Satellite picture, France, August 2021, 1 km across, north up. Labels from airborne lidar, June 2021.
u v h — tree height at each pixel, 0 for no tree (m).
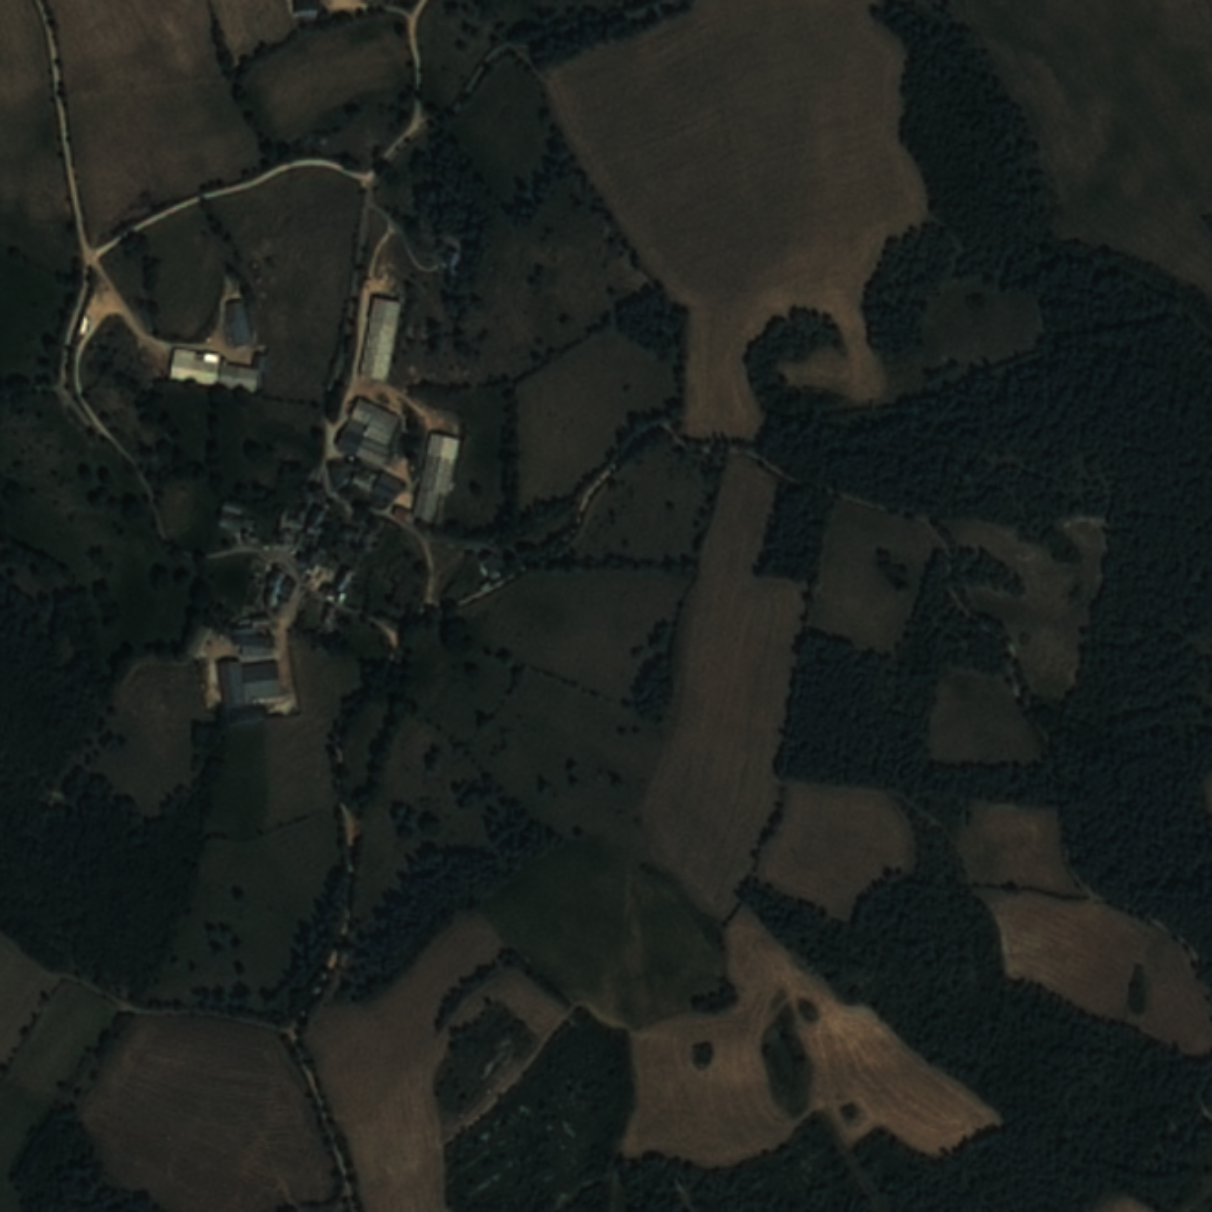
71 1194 13
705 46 0
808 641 13
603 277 0
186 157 0
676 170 0
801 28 0
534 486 0
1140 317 9
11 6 0
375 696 15
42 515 0
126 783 0
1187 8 0
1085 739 11
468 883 13
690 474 0
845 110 0
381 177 11
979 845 0
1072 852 11
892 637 0
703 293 0
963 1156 14
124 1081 0
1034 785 14
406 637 14
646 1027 0
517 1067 0
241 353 0
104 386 0
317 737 0
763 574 9
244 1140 0
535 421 0
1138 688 12
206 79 0
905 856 0
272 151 15
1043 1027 7
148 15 0
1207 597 14
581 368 0
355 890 7
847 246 0
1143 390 9
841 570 0
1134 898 13
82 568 0
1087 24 0
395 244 0
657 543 0
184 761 0
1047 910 0
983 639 12
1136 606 11
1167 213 0
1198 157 0
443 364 0
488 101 0
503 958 6
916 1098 0
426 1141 0
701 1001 9
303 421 0
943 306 0
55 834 14
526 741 0
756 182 0
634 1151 0
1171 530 10
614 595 0
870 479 13
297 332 0
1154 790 14
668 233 0
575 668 0
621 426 0
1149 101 0
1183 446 11
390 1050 0
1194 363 6
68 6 0
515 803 7
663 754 0
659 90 0
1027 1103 10
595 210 7
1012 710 0
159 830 11
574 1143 0
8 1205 0
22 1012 0
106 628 8
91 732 8
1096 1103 10
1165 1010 0
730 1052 0
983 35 0
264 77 0
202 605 11
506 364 0
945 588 13
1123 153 0
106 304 0
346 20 8
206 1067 0
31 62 0
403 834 9
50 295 0
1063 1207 14
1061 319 9
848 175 0
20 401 12
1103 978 0
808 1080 0
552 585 0
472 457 0
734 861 0
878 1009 10
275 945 0
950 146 6
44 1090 0
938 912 13
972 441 13
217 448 13
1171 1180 13
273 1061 0
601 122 0
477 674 9
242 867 0
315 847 0
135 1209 10
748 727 0
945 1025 11
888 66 0
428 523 7
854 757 14
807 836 0
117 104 0
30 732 12
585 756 0
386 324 0
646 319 14
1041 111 0
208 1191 0
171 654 12
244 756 0
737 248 0
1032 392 12
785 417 13
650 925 0
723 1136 0
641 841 0
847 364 0
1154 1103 7
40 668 17
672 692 9
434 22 0
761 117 0
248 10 0
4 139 0
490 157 0
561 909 0
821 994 0
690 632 0
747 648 0
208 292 0
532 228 7
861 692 13
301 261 0
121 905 12
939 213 6
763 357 14
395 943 13
